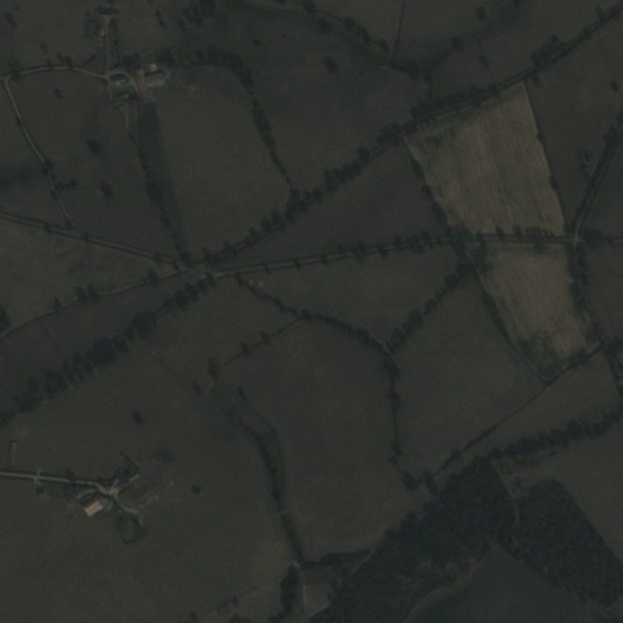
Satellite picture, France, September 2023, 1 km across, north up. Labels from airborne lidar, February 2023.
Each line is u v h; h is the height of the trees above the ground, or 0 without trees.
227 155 0
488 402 0
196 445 0
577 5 0
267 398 0
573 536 7
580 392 0
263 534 0
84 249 0
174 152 0
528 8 0
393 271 0
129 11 0
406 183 0
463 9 0
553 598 0
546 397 0
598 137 0
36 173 0
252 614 0
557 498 10
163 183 0
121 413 0
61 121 0
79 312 0
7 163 0
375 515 0
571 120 0
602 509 0
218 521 0
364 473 0
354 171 10
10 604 0
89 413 0
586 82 0
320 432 0
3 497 0
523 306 0
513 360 0
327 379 0
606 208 0
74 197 0
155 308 0
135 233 0
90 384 0
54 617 0
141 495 0
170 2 0
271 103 0
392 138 14
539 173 0
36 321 0
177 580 0
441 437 0
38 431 0
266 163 0
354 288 0
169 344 0
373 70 0
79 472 0
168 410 0
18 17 0
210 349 0
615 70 0
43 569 0
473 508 11
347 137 0
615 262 0
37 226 0
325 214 0
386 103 0
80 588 0
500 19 0
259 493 0
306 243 0
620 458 0
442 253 0
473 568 0
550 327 0
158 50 0
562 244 10
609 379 0
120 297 0
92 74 0
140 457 0
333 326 9
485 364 0
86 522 0
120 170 0
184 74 0
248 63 0
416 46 0
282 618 10
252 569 0
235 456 0
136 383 0
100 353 21
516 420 0
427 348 0
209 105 0
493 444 0
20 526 0
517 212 0
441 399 0
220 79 0
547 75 0
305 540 0
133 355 0
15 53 0
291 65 0
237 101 0
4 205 0
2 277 0
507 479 0
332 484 0
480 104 10
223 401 0
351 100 0
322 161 0
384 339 0
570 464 0
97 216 0
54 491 0
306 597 0
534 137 0
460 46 14
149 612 0
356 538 0
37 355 0
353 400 0
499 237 12
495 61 0
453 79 0
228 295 0
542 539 8
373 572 17
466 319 0
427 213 0
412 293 0
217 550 0
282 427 0
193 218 0
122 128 0
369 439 0
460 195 0
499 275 0
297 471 0
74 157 0
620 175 0
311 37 0
